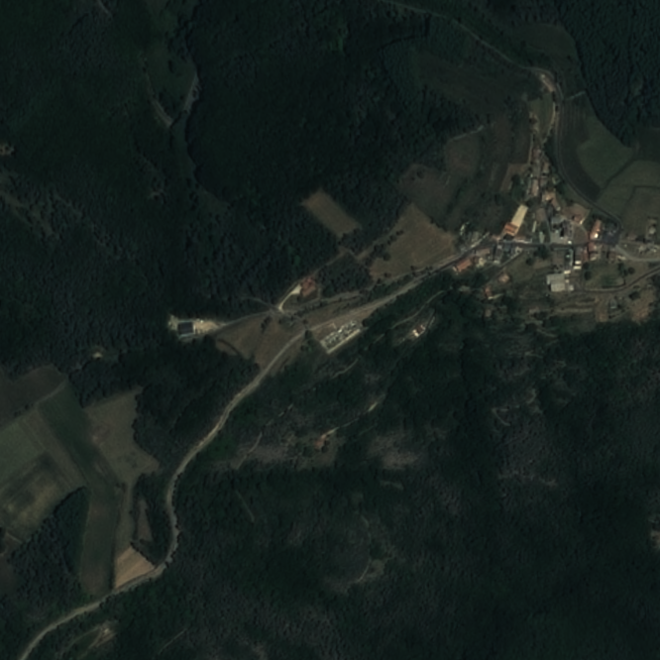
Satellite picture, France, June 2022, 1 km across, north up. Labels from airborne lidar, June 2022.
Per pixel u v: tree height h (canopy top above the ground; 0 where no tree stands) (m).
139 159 15
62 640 15
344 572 6
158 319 18
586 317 0
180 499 9
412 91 22
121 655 13
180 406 6
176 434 11
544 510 17
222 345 0
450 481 14
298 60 19
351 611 22
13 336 13
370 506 16
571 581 29
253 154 15
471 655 29
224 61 17
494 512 27
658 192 0
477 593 21
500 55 18
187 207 20
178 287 20
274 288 9
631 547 15
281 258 9
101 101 23
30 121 18
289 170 15
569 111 0
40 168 17
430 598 10
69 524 22
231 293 12
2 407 0
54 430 0
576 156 0
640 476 14
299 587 20
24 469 0
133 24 20
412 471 12
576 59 15
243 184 13
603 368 12
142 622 11
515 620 34
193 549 10
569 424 17
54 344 15
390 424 7
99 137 20
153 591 15
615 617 23
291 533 14
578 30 24
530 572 18
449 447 15
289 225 9
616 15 31
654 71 37
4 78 18
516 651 17
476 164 0
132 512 8
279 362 0
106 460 0
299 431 11
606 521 21
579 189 0
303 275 7
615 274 0
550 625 23
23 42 20
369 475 20
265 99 16
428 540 19
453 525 22
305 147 14
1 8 16
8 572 0
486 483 19
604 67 21
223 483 15
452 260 0
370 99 9
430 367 9
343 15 18
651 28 37
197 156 22
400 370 8
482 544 28
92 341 17
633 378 6
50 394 0
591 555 17
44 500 0
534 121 11
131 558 0
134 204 25
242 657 6
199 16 16
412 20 16
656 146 0
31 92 19
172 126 13
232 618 15
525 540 25
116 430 0
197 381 11
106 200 25
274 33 20
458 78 0
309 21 21
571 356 13
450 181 0
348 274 8
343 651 12
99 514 0
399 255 0
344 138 15
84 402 17
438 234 0
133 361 18
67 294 19
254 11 20
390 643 21
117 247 17
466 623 23
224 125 15
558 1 18
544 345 6
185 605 11
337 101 13
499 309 7
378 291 7
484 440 15
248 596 16
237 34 19
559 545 18
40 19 20
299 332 0
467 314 17
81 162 18
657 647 20
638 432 15
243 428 8
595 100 19
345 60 19
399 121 12
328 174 10
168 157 22
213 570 10
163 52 0
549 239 0
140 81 15
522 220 0
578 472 20
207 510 11
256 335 0
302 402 12
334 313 0
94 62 26
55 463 0
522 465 13
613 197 0
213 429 12
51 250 17
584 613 20
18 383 0
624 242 0
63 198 11
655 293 0
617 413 11
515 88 0
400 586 15
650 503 14
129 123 14
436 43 20
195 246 19
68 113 19
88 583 0
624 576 24
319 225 7
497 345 0
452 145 0
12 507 0
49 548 10
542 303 0
